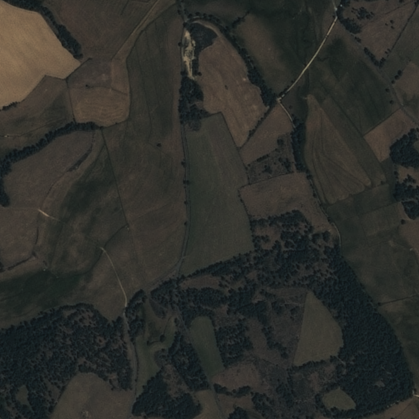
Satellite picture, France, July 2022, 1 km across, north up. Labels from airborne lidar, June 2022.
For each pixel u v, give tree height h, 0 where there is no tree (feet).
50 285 0
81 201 0
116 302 0
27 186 0
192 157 0
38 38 0
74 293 0
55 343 63
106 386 0
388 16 0
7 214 0
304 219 29
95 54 0
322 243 0
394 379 44
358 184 0
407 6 0
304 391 0
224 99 0
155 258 0
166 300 48
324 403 0
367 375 57
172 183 0
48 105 0
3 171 48
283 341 0
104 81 0
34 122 0
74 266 0
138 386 0
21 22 0
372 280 0
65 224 0
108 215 0
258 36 0
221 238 0
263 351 0
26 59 0
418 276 0
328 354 0
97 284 0
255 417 0
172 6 0
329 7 0
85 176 0
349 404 0
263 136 0
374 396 57
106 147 0
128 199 0
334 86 0
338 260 69
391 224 0
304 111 0
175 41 0
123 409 0
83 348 48
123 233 0
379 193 0
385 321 69
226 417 0
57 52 0
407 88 0
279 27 0
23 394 0
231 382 0
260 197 0
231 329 24
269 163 0
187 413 55
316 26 0
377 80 0
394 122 0
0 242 0
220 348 37
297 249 45
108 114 0
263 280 44
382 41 0
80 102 0
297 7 0
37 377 49
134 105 0
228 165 0
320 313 0
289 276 48
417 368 0
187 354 60
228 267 50
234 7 0
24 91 0
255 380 0
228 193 0
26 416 55
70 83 0
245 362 0
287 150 0
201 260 0
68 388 0
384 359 66
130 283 0
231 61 0
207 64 0
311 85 0
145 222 0
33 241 0
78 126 46
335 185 0
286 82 0
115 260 0
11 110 0
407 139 54
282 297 0
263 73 0
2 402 32
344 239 0
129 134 0
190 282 0
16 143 0
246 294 49
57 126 0
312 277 51
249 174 0
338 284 60
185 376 68
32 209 0
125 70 0
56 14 0
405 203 56
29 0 41
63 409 0
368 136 0
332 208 0
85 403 0
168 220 0
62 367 35
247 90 0
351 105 0
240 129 0
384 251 0
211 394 0
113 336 50
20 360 61
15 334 70
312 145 0
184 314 37
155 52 0
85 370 38
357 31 49
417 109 0
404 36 0
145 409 38
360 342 77
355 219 0
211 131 0
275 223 50
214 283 0
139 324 41
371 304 34
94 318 36
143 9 0
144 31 0
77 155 0
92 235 0
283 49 0
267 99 62
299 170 63
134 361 0
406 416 0
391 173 0
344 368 56
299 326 0
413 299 0
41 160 0
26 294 0
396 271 0
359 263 0
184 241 0
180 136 0
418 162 66
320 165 0
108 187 0
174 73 0
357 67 0
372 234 0
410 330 0
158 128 0
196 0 0
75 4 0
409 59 0
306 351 0
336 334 0
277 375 0
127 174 0
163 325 0
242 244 0
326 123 0
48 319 61
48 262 0
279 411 0
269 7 0
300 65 0
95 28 0
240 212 0
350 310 71
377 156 0
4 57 0
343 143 0
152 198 0
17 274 0
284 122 0
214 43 0
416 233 0
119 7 0
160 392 56
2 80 0
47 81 0
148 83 0
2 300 0
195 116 54
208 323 0
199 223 0
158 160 0
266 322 38
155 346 0
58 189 0
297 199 0
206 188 0
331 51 0
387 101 0
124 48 0
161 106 0
